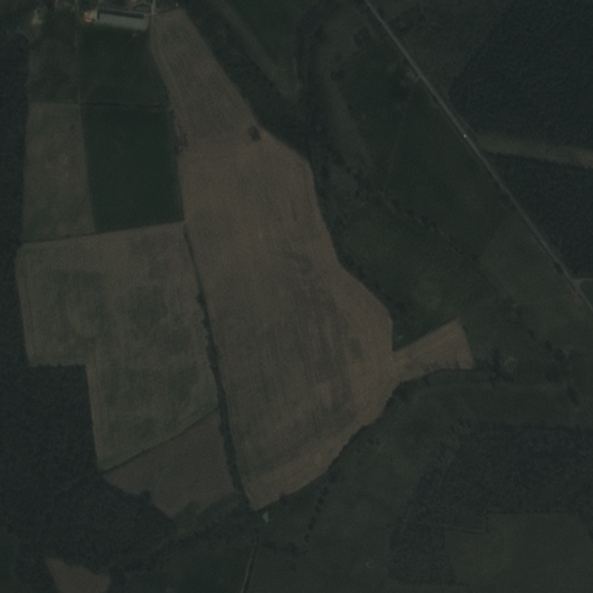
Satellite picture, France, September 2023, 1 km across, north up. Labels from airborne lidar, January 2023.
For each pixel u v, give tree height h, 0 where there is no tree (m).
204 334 0
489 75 15
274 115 0
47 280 0
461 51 7
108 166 0
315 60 0
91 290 0
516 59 12
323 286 0
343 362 0
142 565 16
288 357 0
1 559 0
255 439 0
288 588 0
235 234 0
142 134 0
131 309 0
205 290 0
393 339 0
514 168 11
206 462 0
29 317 0
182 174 0
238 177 0
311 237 0
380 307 0
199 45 0
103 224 0
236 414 0
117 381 0
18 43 10
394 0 0
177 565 0
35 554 18
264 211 0
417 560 7
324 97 0
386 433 0
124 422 0
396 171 0
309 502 0
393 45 0
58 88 0
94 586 0
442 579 10
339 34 0
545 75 10
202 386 0
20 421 14
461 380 0
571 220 7
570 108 16
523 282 0
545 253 0
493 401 0
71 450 9
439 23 6
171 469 0
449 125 0
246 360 0
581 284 0
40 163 0
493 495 15
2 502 18
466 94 10
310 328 0
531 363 0
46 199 0
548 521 0
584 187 9
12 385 11
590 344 0
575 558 0
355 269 17
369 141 0
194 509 0
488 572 0
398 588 0
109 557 17
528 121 12
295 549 15
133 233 0
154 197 0
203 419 0
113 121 0
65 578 0
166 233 0
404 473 0
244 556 0
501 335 0
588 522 14
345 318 0
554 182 9
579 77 16
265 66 0
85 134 0
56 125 0
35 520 18
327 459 0
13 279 9
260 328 0
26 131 8
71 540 19
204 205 0
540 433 10
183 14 0
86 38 0
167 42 0
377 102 0
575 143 5
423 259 0
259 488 0
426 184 0
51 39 0
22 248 0
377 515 0
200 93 0
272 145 0
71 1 0
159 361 0
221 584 0
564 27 16
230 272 0
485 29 8
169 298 0
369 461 0
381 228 0
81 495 25
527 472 22
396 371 0
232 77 0
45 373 12
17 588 0
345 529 0
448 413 0
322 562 0
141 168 0
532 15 11
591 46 11
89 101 0
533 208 11
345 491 0
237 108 0
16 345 13
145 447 0
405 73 0
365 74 0
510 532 0
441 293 0
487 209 0
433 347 0
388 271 0
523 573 0
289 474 0
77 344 0
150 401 0
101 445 0
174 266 0
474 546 0
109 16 0
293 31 0
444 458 16
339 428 0
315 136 21
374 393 0
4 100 11
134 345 0
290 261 0
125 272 0
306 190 0
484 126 7
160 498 0
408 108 0
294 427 0
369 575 0
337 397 0
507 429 19
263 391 0
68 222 0
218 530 13
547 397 0
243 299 0
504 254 0
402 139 0
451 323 0
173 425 0
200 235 0
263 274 0
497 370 11
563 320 0
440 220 0
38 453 7
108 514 22
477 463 9
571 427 0
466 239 0
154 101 0
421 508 16
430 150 0
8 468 14
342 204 0
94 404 0
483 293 0
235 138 0
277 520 0
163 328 0
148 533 22
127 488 0
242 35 0
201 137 0
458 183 0
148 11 0
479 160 0
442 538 10
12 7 0
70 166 0
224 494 0
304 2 0
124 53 0
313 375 0
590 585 0
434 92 0
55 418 12
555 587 0
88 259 0
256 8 0
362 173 15
